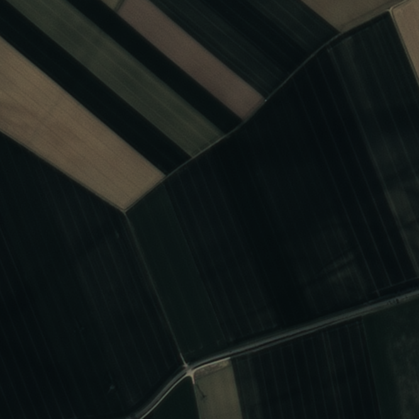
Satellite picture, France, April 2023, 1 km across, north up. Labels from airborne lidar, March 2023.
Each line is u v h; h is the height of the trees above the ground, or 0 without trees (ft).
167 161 0
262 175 0
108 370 0
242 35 0
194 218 0
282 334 0
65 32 0
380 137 0
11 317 0
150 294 0
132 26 0
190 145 0
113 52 0
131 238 0
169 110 0
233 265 0
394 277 0
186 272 0
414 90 0
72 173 0
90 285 0
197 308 0
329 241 0
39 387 0
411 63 0
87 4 0
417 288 29
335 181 0
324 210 0
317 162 0
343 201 0
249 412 0
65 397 0
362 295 0
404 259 0
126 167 0
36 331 0
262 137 0
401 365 0
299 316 0
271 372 0
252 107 0
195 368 0
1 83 0
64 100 0
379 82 0
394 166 0
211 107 0
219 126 0
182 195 0
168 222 0
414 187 0
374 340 0
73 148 0
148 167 0
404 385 0
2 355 0
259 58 0
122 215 0
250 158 0
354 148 0
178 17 0
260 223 0
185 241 0
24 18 0
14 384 0
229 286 0
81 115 0
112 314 0
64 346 0
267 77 0
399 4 0
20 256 0
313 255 0
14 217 0
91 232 0
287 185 0
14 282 0
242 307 0
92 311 0
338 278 0
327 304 0
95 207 0
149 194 0
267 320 0
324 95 0
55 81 0
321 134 0
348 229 0
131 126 0
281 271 0
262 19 0
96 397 0
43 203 0
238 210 0
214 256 0
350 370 0
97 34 0
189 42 0
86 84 0
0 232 0
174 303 0
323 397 0
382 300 0
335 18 0
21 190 0
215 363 0
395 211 0
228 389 0
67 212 0
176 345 0
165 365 0
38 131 0
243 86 0
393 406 0
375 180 0
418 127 0
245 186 0
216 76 0
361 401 0
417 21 0
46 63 0
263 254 0
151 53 0
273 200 0
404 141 0
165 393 0
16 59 0
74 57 0
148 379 0
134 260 0
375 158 0
